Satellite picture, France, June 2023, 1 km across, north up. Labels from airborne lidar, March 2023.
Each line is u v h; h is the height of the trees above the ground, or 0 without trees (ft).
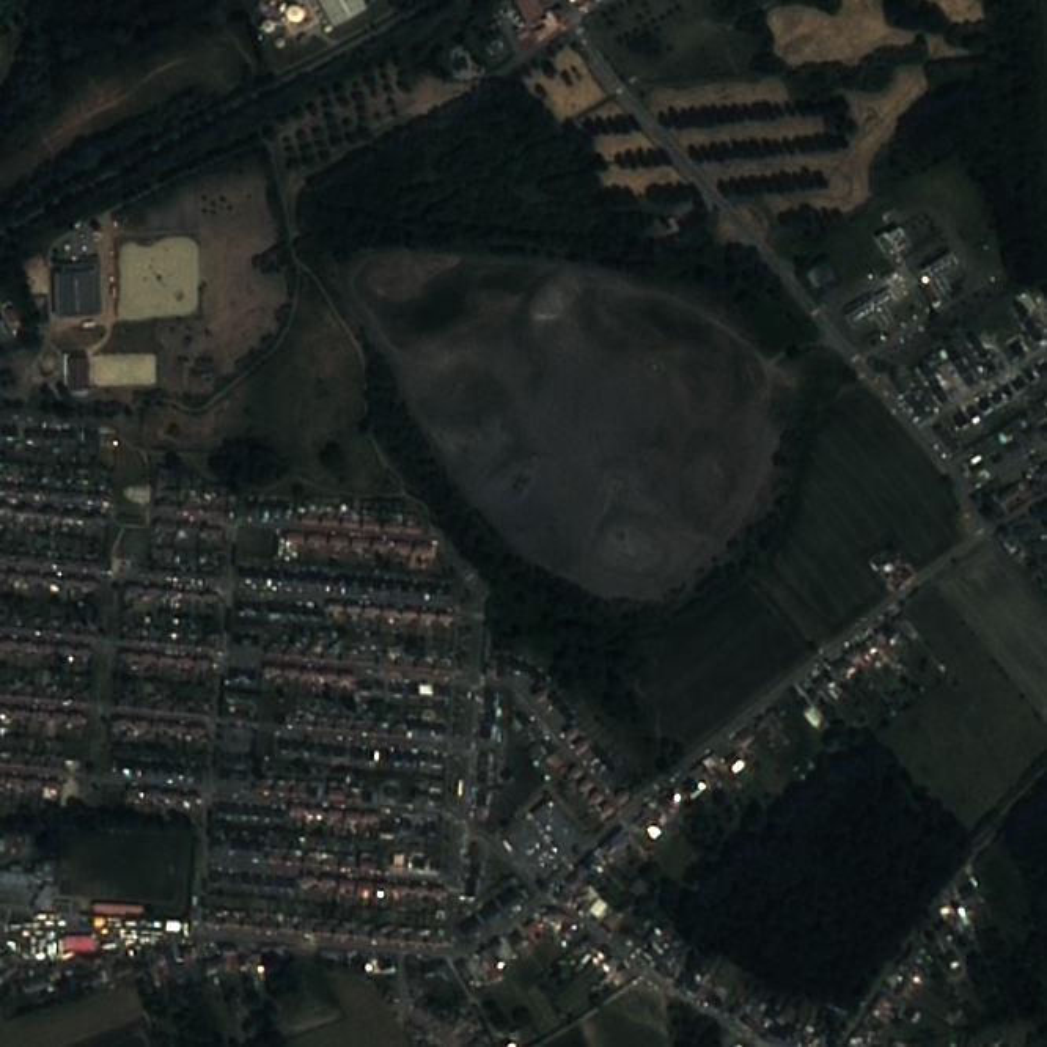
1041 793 50
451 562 0
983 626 0
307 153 23
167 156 44
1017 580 0
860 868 81
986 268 0
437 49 40
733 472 0
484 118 30
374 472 0
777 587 0
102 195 21
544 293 0
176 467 49
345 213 36
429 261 0
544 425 0
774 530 37
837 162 0
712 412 0
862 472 0
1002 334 0
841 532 0
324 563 0
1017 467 0
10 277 36
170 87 0
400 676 0
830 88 19
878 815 76
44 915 0
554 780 0
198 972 0
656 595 0
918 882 69
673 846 0
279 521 0
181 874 0
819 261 20
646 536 0
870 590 0
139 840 0
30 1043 0
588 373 0
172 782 0
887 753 63
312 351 0
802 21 0
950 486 27
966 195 0
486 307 0
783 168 0
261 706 0
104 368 0
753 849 94
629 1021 0
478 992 0
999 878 0
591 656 46
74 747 0
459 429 0
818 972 50
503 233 37
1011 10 22
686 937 65
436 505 24
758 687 0
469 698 0
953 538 0
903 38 0
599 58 0
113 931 0
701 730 0
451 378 0
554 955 0
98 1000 0
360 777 24
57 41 88
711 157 30
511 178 20
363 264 0
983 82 31
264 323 0
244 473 43
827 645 0
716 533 0
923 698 0
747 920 74
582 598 29
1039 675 0
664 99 0
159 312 0
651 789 0
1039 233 23
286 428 0
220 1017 0
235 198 0
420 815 0
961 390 0
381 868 0
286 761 0
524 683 0
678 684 0
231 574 0
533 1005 0
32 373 0
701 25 0
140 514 0
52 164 26
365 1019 0
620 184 0
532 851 0
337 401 0
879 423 0
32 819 24
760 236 0
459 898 0
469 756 0
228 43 0
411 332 0
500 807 0
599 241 45
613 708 19
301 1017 0
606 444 0
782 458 39
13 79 38
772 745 0
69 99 0
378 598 0
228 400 0
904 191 0
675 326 0
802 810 100
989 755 0
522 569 35
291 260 21
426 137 29
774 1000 26
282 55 0
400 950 0
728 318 0
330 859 0
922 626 0
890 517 0
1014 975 39
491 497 0
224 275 0
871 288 0
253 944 0
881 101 0
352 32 0
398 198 35
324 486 0
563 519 0
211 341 0
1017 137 18
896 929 63
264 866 0
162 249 0
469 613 0
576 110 0
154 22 79
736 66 0
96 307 0
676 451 0
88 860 0
